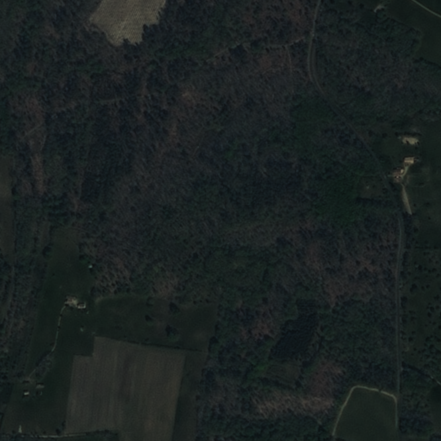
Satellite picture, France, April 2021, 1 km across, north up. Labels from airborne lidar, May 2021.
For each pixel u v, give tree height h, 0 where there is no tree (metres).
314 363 16
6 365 9
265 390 13
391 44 13
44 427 0
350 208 17
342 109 17
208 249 15
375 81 16
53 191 14
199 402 16
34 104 7
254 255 19
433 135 0
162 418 0
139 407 0
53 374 0
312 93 20
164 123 14
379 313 15
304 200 14
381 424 0
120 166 16
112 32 0
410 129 0
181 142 10
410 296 0
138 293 20
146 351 0
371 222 20
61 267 0
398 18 0
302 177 17
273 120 14
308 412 12
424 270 16
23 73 20
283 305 8
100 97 13
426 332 0
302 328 10
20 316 9
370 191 0
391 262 7
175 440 0
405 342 12
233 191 15
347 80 7
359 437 0
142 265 19
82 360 0
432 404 0
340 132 15
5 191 0
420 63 11
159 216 12
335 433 0
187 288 13
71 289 0
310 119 18
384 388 16
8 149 14
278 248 7
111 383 0
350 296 8
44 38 11
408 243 13
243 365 14
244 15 11
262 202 21
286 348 10
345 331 20
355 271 7
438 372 10
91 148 7
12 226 0
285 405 10
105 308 0
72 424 0
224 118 9
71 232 0
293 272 26
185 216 10
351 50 9
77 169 27
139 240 13
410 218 16
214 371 15
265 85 7
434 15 0
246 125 15
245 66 17
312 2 14
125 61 9
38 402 0
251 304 16
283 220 8
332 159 14
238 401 15
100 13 0
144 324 0
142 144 12
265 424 15
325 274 9
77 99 26
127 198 13
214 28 15
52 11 7
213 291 11
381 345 20
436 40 0
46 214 15
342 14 9
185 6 5
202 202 16
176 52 16
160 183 10
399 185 0
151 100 16
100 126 8
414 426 15
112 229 12
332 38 11
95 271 12
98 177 15
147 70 11
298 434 20
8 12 11
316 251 8
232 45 15
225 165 13
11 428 0
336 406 14
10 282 7
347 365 17
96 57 11
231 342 17
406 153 0
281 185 17
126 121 18
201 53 13
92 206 16
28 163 8
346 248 9
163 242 15
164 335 0
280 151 12
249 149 25
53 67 18
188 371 0
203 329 0
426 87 14
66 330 0
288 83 14
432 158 0
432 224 0
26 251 17
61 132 13
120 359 0
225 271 16
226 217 24
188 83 13
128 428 0
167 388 0
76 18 25
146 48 14
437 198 0
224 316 17
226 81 14
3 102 17
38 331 0
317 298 16
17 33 17
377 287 16
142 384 0
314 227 9
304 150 14
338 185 17
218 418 19
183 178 18
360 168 16
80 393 0
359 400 0
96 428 0
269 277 22
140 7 0
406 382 12
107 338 0
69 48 11
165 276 13
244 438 21
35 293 8
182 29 9
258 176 19
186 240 6
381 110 17
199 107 12
